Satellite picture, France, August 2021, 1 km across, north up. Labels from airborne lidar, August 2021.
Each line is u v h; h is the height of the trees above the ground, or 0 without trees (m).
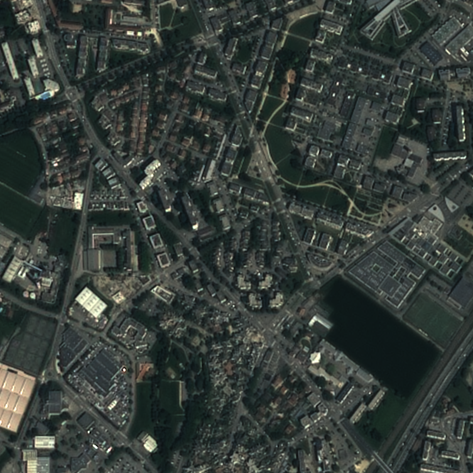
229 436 7
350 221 7
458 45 0
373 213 0
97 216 0
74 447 9
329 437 13
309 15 0
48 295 0
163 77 0
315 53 0
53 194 0
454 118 0
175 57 10
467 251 0
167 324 0
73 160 8
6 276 0
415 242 0
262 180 0
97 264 0
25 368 0
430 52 0
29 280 0
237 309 0
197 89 0
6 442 0
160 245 0
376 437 15
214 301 0
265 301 13
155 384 7
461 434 0
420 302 0
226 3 7
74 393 0
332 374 10
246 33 8
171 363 0
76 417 0
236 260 12
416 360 0
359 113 0
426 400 0
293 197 8
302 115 0
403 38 0
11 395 0
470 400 0
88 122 0
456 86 0
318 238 0
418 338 0
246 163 0
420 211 0
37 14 0
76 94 0
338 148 9
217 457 0
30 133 12
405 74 6
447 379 0
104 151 0
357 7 8
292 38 0
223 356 7
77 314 0
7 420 0
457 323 0
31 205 0
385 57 0
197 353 9
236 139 0
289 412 6
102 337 7
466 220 0
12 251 7
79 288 14
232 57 0
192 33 0
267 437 8
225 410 5
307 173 8
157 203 16
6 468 0
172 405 0
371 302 0
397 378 0
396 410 0
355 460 0
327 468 0
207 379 10
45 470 0
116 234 0
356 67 0
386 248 0
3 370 0
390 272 0
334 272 0
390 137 0
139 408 0
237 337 0
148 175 0
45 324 0
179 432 0
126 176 0
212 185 0
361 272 0
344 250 0
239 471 0
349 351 0
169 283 0
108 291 0
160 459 18
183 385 0
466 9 0
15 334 0
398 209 0
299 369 0
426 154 0
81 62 0
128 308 0
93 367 0
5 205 0
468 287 0
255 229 11
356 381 16
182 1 0
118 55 6
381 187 0
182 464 0
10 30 21
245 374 8
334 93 0
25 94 8
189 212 0
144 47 0
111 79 10
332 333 0
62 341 0
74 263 0
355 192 0
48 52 0
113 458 14
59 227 0
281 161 0
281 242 7
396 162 0
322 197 0
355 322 0
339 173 0
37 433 10
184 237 0
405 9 0
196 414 18
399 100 0
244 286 0
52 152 18
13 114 12
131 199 0
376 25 0
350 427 0
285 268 10
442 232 0
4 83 14
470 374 0
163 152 15
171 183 14
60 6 13
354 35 0
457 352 0
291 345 0
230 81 0
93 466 0
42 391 16
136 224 7
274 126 0
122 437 0
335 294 0
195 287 25
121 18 0
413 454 15
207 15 0
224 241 11
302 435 0
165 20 0
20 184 0
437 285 11
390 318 0
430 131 0
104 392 0
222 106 0
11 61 0
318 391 0
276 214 8
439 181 10
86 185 0
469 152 11
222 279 10
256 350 0
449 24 0
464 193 0
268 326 0
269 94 0
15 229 0
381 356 0
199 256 0
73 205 0
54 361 0
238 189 0
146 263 23
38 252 0
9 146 0
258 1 7
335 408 0
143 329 0
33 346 0
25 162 0
